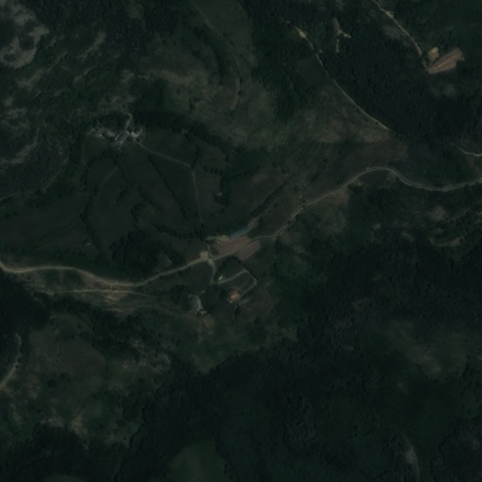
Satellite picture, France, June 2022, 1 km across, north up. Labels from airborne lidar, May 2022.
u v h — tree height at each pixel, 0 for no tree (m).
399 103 27
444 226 13
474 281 18
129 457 19
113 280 0
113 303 0
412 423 6
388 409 7
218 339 0
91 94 7
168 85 0
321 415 19
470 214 13
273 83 7
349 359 11
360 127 0
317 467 16
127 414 18
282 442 17
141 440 24
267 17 18
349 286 12
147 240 17
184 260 14
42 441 16
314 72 0
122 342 11
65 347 0
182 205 8
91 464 16
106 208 0
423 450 6
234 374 17
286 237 0
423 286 11
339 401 18
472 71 11
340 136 0
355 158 0
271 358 22
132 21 8
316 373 25
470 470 19
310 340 23
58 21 15
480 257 21
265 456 16
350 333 8
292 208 0
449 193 7
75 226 0
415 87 20
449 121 17
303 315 8
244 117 0
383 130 0
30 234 0
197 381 19
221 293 7
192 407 21
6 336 13
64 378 10
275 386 19
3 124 0
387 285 9
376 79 24
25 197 6
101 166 0
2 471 21
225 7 0
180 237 10
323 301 20
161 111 5
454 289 17
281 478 17
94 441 8
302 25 10
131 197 0
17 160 0
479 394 7
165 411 19
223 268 11
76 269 0
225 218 0
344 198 0
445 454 15
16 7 0
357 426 8
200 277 0
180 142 0
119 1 8
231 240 0
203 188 0
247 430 18
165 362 8
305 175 0
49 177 11
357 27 16
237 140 0
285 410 22
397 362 6
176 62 0
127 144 0
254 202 0
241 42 0
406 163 0
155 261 15
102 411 0
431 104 17
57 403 0
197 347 0
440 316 5
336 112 0
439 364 0
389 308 11
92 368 0
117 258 16
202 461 0
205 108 0
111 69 8
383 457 16
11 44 0
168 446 9
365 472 16
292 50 12
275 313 8
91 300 0
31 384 0
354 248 10
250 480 20
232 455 18
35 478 17
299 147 0
